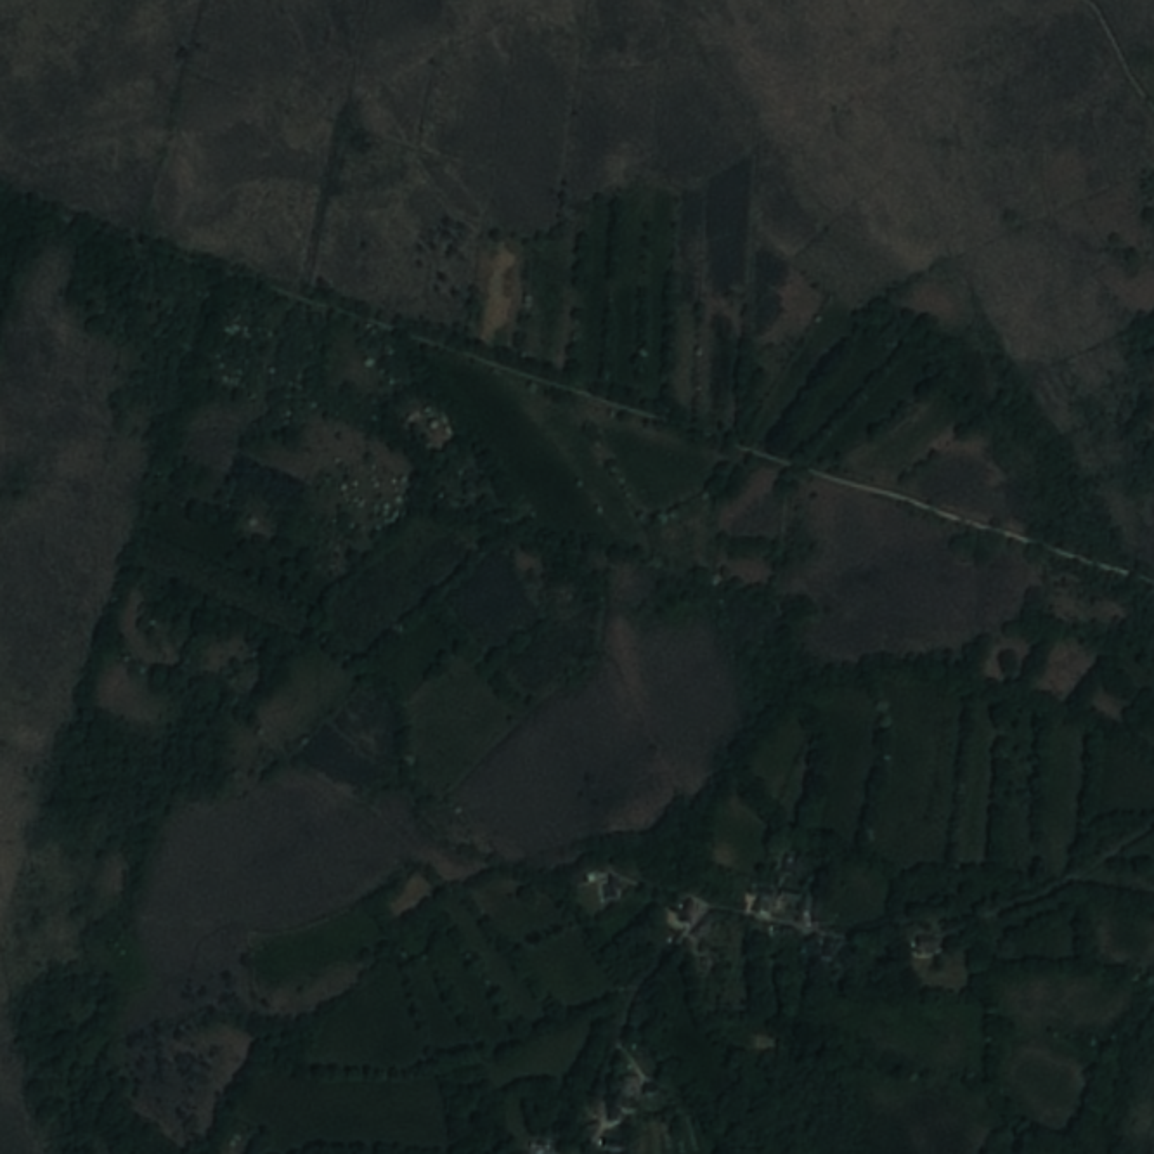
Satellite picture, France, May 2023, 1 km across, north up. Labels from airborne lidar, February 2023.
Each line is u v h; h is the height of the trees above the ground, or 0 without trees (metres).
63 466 0
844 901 0
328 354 8
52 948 0
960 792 7
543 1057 0
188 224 0
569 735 0
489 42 0
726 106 0
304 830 0
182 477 10
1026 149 0
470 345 12
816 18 0
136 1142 13
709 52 0
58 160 0
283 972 0
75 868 0
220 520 14
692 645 0
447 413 10
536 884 9
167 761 8
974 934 13
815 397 12
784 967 8
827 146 0
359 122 0
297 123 0
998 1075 7
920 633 0
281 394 8
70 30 0
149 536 7
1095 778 10
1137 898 13
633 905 0
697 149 0
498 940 12
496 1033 0
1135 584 9
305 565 10
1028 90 0
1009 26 0
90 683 8
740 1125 9
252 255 0
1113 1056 13
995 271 0
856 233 0
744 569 0
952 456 0
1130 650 7
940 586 0
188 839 0
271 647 12
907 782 0
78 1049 8
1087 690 11
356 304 7
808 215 0
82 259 7
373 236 0
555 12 0
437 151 0
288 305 7
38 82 0
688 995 6
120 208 0
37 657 0
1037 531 7
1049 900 8
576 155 0
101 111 0
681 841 13
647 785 0
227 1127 13
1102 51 0
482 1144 11
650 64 0
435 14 0
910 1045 0
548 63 0
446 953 0
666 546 0
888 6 0
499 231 7
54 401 0
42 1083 8
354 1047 0
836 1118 7
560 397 7
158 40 0
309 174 0
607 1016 9
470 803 0
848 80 0
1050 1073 0
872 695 7
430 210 0
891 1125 0
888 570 0
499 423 0
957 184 0
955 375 7
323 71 0
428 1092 0
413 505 13
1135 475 8
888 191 0
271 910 0
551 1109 11
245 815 0
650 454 0
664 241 0
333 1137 0
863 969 16
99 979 9
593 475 0
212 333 10
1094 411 7
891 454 0
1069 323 0
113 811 6
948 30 0
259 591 6
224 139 0
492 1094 15
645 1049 15
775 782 0
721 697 0
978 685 15
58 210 9
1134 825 11
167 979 0
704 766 0
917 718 0
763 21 0
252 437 5
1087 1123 12
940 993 10
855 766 0
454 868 0
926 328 11
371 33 0
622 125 0
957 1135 0
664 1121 10
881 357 0
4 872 0
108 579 0
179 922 0
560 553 5
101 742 8
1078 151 0
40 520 0
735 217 0
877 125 0
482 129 0
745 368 11
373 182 0
